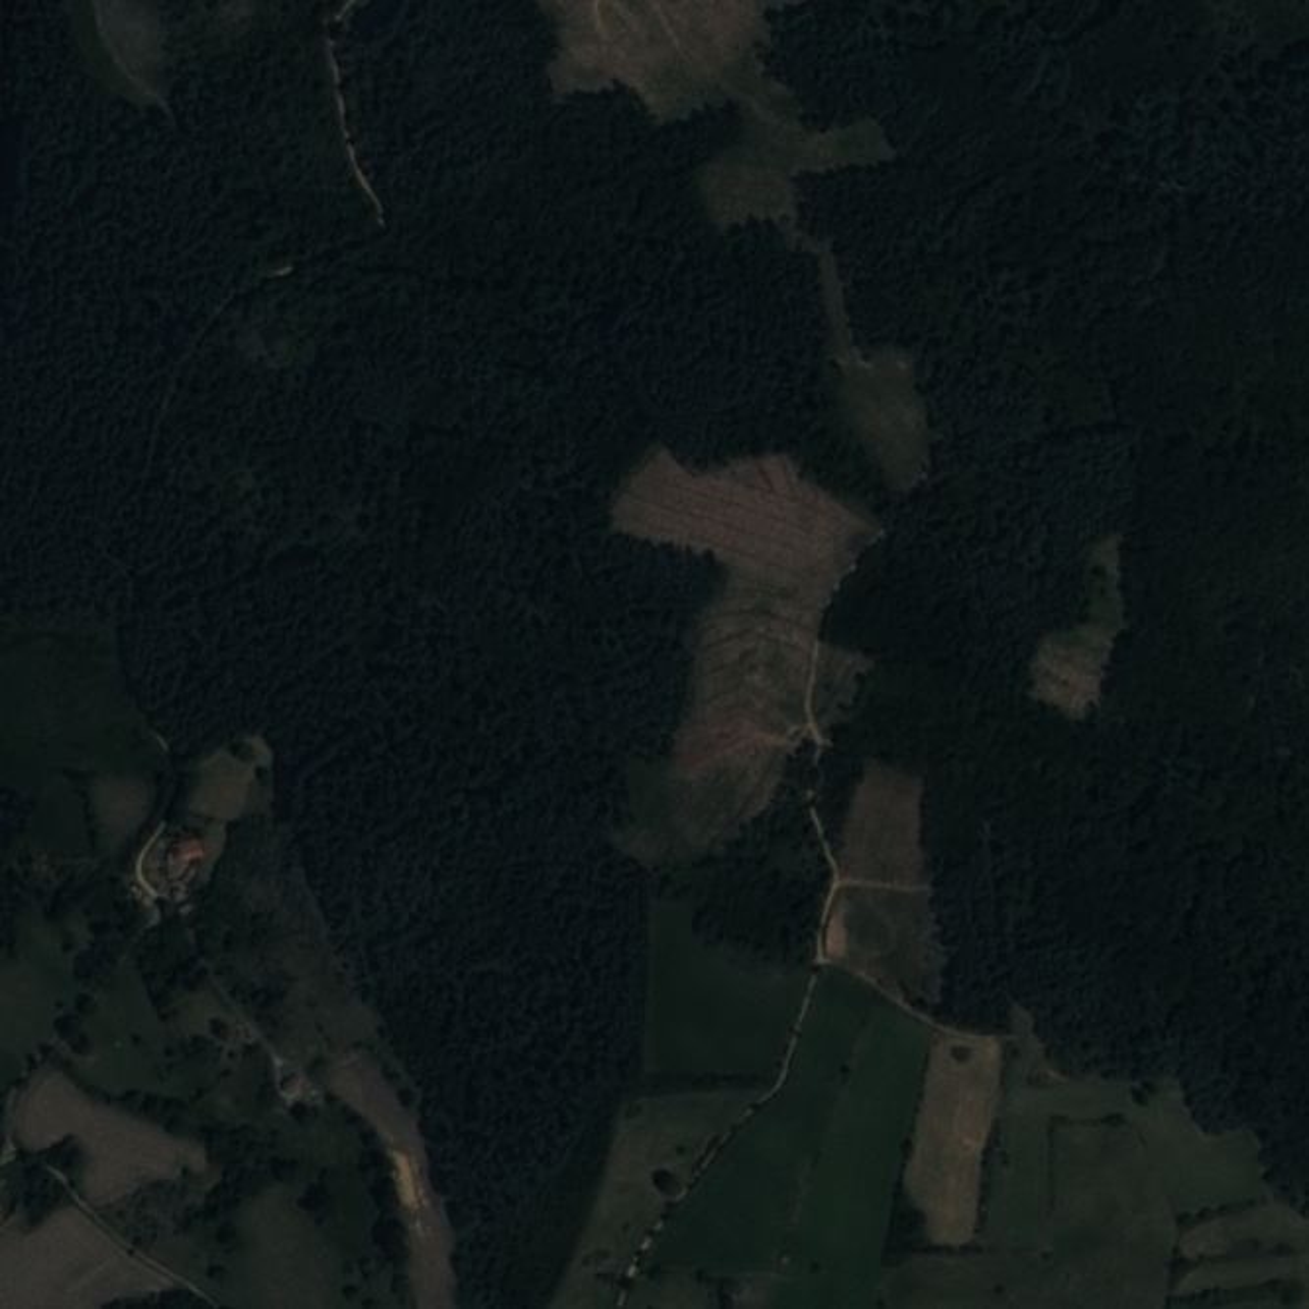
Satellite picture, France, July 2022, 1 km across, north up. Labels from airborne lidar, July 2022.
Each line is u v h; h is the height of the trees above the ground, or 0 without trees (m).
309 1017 0
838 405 7
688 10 0
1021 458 19
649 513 0
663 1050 0
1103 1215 0
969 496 10
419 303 18
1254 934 27
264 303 17
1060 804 22
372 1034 0
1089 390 7
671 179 14
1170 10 22
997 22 16
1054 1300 0
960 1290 0
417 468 21
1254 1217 0
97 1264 0
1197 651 21
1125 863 27
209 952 17
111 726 0
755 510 0
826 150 0
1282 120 11
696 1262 0
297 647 28
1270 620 16
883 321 12
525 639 8
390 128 10
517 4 17
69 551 33
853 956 0
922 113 27
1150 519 19
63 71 25
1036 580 21
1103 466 23
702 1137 0
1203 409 22
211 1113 0
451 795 13
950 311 8
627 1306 0
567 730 16
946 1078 0
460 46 20
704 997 0
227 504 16
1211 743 18
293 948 0
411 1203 0
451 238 15
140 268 25
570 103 14
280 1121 0
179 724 32
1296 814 11
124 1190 0
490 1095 12
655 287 15
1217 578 16
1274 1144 10
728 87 0
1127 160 31
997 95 19
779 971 0
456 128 21
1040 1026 8
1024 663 11
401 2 34
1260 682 11
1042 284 26
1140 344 21
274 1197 0
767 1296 0
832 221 12
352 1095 0
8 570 34
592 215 10
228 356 11
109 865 8
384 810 33
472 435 13
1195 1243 0
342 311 8
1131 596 21
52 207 26
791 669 0
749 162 0
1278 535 19
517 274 24
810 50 13
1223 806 15
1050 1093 0
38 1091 0
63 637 0
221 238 22
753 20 0
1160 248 18
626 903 28
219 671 22
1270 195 20
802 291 19
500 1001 19
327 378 23
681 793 0
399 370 14
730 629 0
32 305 30
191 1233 10
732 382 30
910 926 0
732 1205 0
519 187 12
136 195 25
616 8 0
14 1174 0
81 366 32
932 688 6
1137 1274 0
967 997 23
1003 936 21
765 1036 0
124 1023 0
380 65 14
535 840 16
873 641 6
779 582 0
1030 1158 0
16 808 18
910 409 0
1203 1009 22
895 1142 0
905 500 6
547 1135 7
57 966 0
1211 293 23
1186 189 20
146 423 26
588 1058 10
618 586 18
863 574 8
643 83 0
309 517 7
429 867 12
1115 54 21
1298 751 19
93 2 0
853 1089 0
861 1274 0
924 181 15
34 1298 0
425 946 16
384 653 17
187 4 8
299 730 31
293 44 8
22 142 33
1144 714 20
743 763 0
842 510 0
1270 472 20
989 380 11
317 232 9
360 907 8
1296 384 20
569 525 27
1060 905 17
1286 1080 27
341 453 9
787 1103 0
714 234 12
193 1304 13
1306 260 21
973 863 19
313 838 25
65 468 31
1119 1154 0
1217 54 20
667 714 17
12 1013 0
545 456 11
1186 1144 0
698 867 9
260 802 0
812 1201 0
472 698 8
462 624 15
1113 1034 6
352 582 13
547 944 20
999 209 14
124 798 0
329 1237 0
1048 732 23
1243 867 25
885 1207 0
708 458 20
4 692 0
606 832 22
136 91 0
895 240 13
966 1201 0
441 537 15
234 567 30
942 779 13
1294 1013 28
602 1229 0
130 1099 11
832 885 8
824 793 6
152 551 32
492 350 11
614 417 17
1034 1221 0
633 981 28
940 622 9
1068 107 16
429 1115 11
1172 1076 8
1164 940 28
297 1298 0
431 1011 9
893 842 0
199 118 26
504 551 13
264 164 9
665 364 30
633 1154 0
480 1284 9
